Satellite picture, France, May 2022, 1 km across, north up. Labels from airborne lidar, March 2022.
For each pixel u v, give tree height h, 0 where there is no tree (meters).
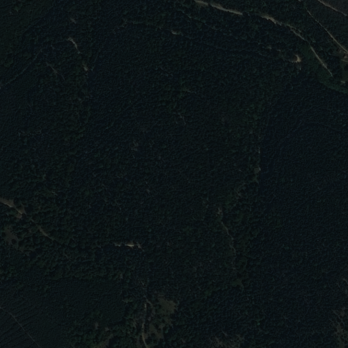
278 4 21
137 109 18
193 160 27
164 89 17
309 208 25
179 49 30
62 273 30
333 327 19
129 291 23
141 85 23
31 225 29
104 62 21
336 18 14
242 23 33
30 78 13
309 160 22
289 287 18
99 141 25
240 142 34
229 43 29
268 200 36
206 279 27
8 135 14
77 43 28
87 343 29
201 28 16
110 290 14
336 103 27
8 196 13
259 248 26
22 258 8
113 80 23
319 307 23
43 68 10
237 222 28
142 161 25
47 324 11
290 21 30
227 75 33
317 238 27
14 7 15
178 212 27
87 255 31
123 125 26
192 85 28
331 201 25
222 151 31
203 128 32
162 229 27
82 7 26
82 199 27
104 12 28
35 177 22
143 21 26
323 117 21
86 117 29
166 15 36
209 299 36
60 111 24
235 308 31
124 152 29
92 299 14
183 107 31
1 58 15
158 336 0
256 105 25
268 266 21
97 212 19
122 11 22
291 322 17
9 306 16
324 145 28
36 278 10
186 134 31
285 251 29
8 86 14
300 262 17
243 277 24
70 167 34
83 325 12
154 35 24
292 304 26
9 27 16
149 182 28
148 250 26
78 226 29
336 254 26
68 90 32
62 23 23
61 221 33
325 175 20
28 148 23
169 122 23
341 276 25
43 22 25
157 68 9
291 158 25
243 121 31
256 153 42
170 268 26
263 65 29
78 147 33
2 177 14
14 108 11
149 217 29
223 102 22
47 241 22
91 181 27
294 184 26
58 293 18
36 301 16
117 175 26
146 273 22
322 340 14
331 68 15
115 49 19
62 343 16
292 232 27
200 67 25
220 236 23
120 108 17
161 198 28
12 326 13
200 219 25
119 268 28
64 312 18
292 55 24
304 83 26
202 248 28
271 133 35
